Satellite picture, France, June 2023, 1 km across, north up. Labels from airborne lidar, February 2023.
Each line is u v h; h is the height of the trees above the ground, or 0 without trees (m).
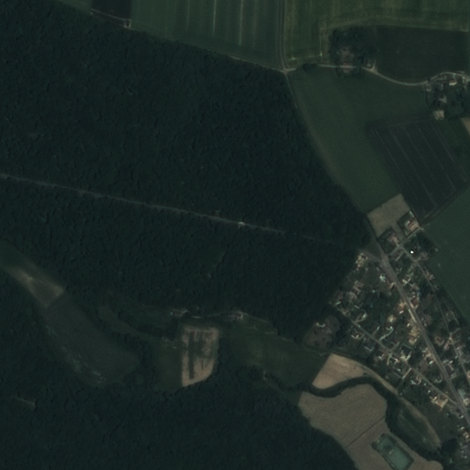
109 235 19
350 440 0
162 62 21
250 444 25
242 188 25
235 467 23
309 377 0
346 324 14
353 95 0
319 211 22
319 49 0
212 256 22
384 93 0
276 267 24
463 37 0
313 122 0
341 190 19
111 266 24
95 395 18
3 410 23
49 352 20
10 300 21
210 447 22
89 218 24
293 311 24
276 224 20
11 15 22
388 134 0
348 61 0
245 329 0
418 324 0
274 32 0
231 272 19
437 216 0
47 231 28
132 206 14
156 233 21
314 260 25
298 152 20
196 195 20
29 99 26
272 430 18
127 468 25
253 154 26
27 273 0
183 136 23
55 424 21
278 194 26
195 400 21
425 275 0
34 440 21
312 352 0
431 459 13
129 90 27
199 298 18
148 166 22
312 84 0
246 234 19
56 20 22
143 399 10
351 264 10
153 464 21
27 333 23
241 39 0
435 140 0
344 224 21
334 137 0
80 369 0
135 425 24
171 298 23
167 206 14
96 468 25
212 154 20
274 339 0
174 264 24
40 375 24
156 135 25
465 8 0
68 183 19
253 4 0
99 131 22
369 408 0
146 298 22
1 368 25
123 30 13
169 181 26
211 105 23
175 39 0
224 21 0
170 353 0
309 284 26
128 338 16
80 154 28
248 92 27
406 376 0
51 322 0
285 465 23
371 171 0
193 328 0
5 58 24
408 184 0
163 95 17
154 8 0
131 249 16
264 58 0
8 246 0
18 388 19
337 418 0
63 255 24
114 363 0
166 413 24
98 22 12
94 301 23
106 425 27
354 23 0
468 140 0
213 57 10
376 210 0
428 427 0
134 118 25
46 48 20
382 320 15
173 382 0
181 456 20
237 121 26
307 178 14
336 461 23
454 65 0
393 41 0
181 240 23
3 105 22
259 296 25
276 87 20
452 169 0
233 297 23
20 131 21
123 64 27
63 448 21
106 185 23
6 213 24
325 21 0
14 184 20
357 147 0
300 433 21
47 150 23
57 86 25
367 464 0
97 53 20
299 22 0
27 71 19
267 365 0
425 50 0
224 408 21
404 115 0
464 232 0
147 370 6
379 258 0
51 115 16
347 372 0
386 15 0
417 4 0
